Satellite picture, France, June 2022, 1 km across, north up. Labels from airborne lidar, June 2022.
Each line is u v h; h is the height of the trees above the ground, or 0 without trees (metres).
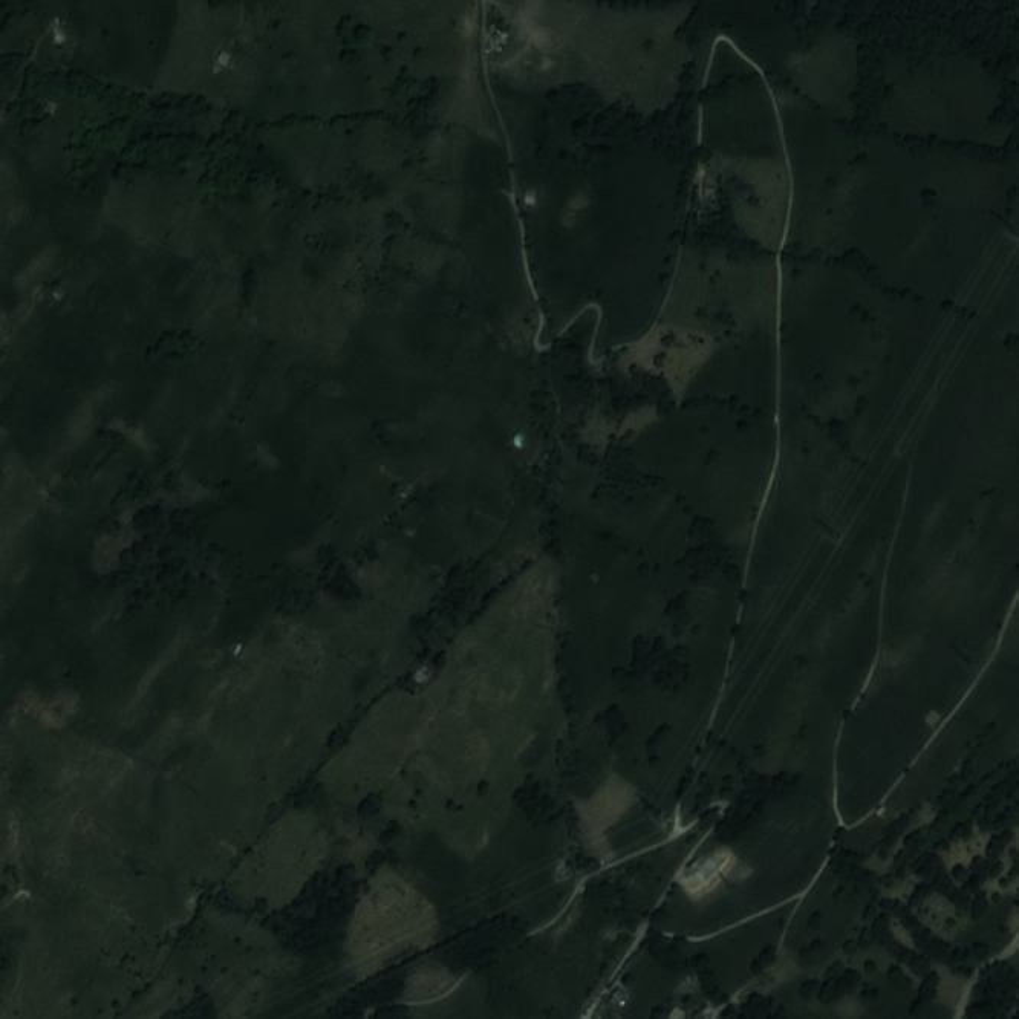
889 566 0
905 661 0
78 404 0
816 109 9
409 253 0
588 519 0
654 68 0
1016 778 13
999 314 0
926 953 16
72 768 0
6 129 0
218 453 0
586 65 0
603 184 0
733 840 15
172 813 0
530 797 17
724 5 0
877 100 15
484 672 0
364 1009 18
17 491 0
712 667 0
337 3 0
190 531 10
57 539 0
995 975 17
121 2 0
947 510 0
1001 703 0
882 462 0
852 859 17
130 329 0
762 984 0
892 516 0
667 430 0
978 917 11
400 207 0
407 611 0
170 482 7
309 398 0
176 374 0
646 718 0
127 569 8
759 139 0
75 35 0
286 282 0
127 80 0
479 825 0
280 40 0
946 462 0
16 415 0
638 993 0
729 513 0
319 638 0
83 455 0
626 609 0
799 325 0
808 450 8
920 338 0
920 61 8
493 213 0
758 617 0
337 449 0
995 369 0
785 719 0
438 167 0
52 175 0
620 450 13
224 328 0
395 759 0
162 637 0
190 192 0
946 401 0
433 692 0
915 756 0
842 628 0
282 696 0
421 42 0
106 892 0
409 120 11
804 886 0
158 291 0
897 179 0
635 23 0
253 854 10
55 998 0
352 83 0
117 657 0
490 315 0
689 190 11
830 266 9
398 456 0
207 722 0
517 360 0
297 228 0
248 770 0
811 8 8
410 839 0
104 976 0
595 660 0
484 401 0
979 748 9
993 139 0
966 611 0
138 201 0
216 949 0
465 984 0
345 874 19
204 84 0
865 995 12
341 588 12
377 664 0
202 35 0
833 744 0
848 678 0
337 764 0
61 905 0
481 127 0
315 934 15
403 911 0
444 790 0
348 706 0
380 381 0
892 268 0
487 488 0
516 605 0
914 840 14
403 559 0
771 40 0
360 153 0
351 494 0
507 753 0
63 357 0
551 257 0
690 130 11
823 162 0
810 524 0
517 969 0
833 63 0
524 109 0
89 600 0
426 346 0
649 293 0
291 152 0
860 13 21
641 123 14
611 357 8
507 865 0
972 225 0
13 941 0
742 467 0
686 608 14
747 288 0
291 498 0
